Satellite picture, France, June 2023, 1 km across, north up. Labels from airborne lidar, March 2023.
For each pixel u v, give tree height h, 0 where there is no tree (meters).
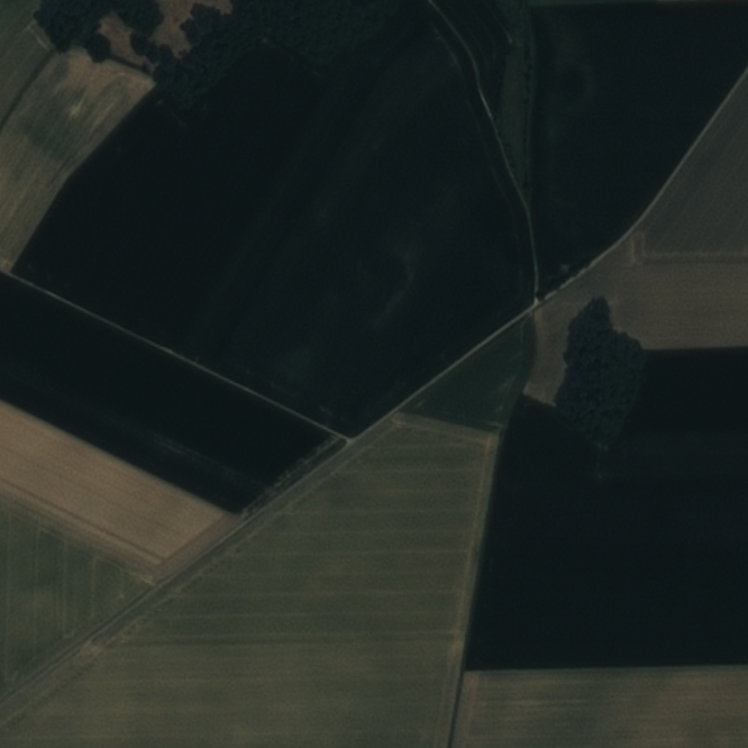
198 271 0
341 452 0
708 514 0
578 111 0
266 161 0
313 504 0
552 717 0
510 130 0
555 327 0
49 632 0
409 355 0
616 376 26
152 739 0
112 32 0
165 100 0
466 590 0
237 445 0
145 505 0
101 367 0
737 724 0
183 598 0
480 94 0
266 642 0
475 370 0
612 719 0
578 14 0
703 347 0
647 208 0
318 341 0
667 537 0
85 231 0
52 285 0
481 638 0
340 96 0
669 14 0
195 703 0
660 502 0
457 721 0
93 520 0
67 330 0
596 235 0
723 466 0
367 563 0
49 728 0
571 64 0
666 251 0
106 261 0
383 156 0
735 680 0
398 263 0
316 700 0
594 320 23
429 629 0
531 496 0
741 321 0
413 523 0
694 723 0
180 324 0
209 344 0
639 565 0
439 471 0
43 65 0
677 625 0
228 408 0
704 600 0
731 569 0
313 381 0
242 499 0
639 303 0
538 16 0
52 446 0
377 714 0
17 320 0
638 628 0
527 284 0
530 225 0
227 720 0
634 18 0
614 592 0
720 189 0
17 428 0
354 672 0
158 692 0
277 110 0
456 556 0
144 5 23
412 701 0
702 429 0
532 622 0
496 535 0
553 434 0
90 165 0
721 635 0
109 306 0
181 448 0
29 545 0
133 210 0
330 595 0
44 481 0
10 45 0
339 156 0
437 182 0
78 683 0
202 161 0
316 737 0
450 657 0
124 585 0
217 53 22
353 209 0
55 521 0
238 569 0
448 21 0
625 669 0
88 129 0
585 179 0
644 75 0
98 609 0
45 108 0
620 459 0
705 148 0
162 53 18
